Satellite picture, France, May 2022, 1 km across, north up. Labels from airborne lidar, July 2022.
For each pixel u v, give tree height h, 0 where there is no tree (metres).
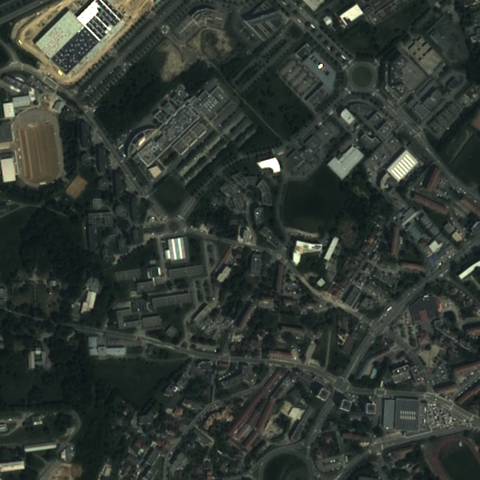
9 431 0
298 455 0
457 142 0
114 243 0
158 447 6
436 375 0
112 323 10
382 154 0
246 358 0
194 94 14
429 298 0
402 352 7
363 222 21
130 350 0
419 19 9
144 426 8
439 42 0
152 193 0
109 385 5
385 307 0
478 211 0
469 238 7
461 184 0
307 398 21
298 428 0
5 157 0
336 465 0
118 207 0
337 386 0
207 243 0
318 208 0
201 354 0
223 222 18
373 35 9
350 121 0
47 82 0
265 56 7
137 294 0
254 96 0
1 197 0
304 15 0
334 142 11
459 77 0
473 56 17
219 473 10
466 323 0
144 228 0
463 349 11
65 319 20
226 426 10
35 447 0
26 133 0
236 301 6
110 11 0
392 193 0
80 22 0
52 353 17
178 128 0
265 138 0
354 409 13
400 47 0
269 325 23
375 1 0
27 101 0
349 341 0
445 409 0
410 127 0
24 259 14
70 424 8
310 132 0
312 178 0
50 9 0
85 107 0
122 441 13
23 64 0
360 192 0
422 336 0
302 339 0
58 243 28
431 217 0
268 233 0
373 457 0
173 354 0
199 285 13
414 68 0
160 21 0
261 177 6
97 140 0
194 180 11
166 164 10
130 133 0
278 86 0
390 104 0
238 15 0
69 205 0
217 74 8
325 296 0
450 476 0
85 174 0
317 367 0
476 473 0
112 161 0
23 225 0
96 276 10
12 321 14
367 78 0
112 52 0
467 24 6
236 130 8
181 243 0
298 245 0
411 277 10
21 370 0
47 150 0
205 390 0
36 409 18
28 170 0
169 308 0
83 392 25
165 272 0
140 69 0
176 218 0
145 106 12
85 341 16
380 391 0
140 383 0
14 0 0
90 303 0
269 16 0
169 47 0
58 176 0
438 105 0
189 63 0
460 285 0
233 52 6
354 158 0
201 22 0
